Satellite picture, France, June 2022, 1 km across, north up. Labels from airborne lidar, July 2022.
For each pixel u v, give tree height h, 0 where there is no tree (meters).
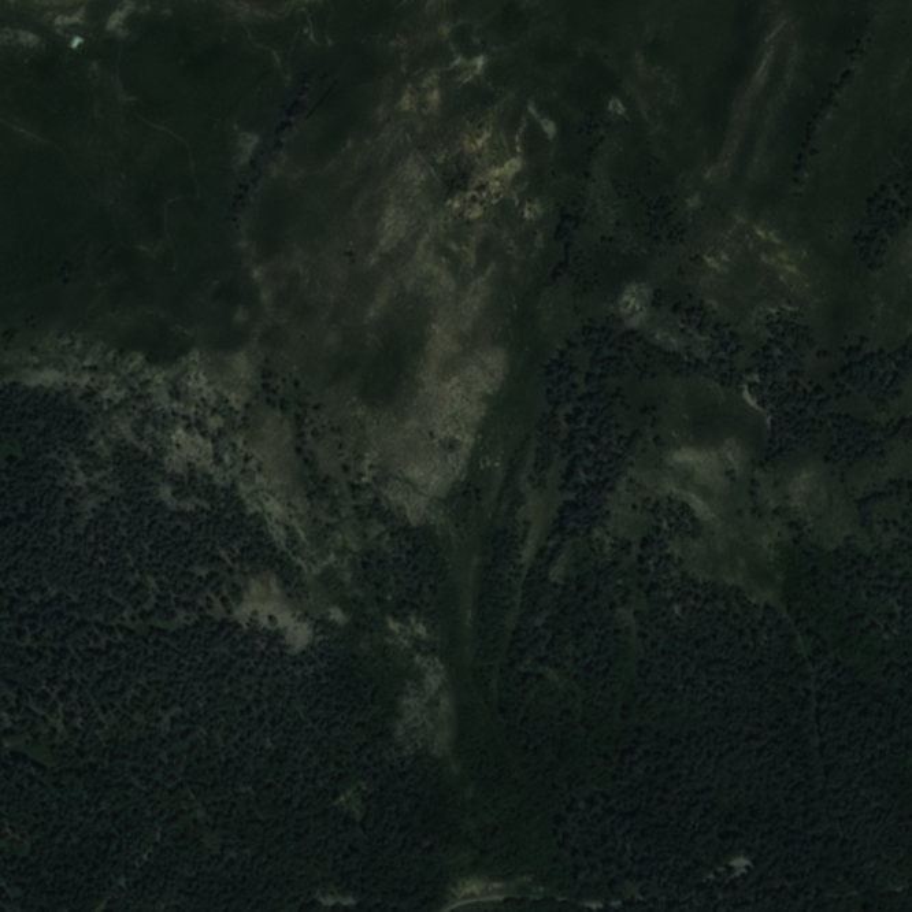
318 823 22
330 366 0
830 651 14
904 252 0
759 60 0
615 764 34
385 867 20
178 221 0
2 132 0
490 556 6
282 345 0
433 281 0
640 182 0
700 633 9
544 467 8
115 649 27
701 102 0
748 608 21
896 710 16
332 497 10
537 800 7
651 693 18
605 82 0
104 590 25
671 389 0
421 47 0
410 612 9
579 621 9
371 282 0
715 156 0
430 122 0
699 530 15
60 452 8
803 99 0
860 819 29
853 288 0
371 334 0
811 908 25
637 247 0
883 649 11
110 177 0
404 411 0
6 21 0
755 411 0
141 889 19
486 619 12
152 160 0
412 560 19
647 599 8
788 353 18
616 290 0
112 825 7
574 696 20
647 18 0
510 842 10
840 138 0
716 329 9
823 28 0
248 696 9
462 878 6
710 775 23
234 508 8
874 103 0
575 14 0
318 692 17
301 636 0
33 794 14
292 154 0
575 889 10
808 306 0
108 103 0
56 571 19
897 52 0
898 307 0
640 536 0
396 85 0
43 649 10
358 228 0
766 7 0
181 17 0
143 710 23
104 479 7
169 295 0
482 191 9
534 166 0
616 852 19
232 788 13
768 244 0
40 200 0
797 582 12
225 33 0
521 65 0
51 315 0
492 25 0
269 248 0
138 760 18
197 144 0
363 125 0
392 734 9
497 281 0
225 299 0
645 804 17
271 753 12
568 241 6
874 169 0
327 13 0
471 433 0
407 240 0
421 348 0
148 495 12
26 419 12
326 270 0
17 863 18
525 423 0
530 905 12
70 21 0
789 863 17
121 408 8
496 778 10
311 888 15
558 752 14
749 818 22
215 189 0
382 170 0
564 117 0
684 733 18
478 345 0
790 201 0
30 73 0
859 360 19
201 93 0
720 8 0
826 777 10
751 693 19
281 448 0
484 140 0
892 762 13
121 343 0
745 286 0
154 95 0
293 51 0
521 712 24
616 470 24
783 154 0
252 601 0
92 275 0
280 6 0
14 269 0
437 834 15
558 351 0
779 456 16
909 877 13
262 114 0
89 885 16
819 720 10
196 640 22
